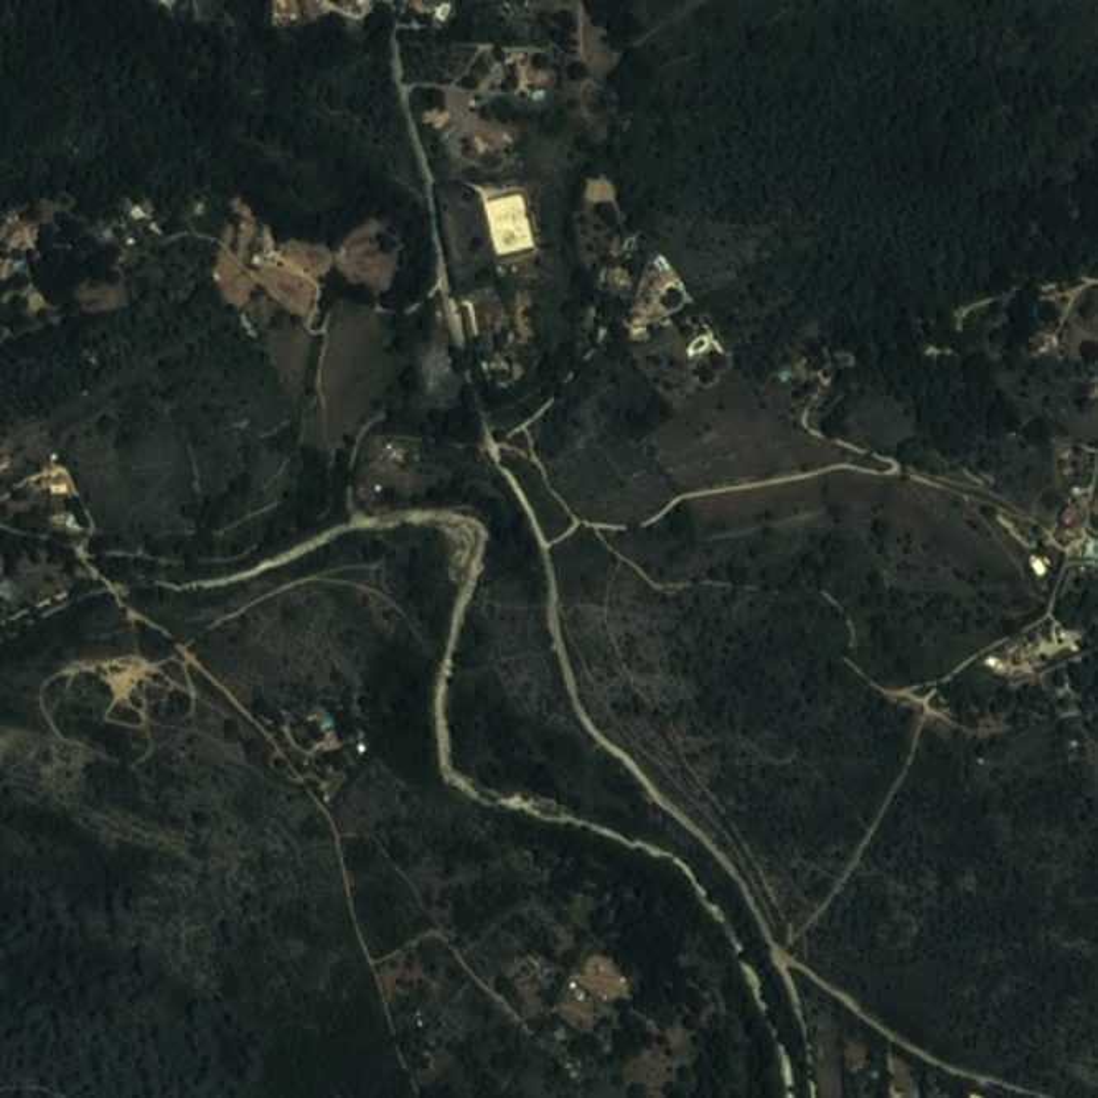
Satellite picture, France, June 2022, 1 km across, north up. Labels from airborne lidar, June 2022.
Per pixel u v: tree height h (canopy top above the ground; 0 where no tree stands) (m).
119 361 15
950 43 15
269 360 7
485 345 15
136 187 16
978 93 14
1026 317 18
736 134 15
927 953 13
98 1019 20
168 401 13
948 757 7
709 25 6
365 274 0
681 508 10
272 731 6
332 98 13
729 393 0
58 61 7
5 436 9
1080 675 16
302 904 7
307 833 5
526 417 8
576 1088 7
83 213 13
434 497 19
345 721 14
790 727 8
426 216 10
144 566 10
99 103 10
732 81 14
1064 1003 7
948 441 11
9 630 10
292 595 0
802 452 0
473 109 6
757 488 0
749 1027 6
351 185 5
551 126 12
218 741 0
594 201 0
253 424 7
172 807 11
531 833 8
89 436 7
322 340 8
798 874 12
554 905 10
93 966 9
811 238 7
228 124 16
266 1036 12
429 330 9
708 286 6
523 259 0
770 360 13
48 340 14
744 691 9
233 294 0
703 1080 12
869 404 0
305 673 0
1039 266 17
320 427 0
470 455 9
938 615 15
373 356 0
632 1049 15
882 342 16
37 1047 7
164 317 16
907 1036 6
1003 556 0
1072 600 8
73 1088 23
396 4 6
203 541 11
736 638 9
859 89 11
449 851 7
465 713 8
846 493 0
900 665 11
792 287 12
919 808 6
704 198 10
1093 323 0
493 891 9
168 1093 22
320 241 8
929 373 17
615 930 9
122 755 7
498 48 8
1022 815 7
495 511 8
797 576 10
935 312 6
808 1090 11
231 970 6
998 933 9
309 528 12
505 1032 8
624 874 12
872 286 10
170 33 10
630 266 8
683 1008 9
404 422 6
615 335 15
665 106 12
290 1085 8
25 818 6
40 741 0
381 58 6
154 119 13
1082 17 10
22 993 7
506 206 0
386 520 0
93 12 9
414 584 7
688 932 9
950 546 0
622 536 10
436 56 13
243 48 12
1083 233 17
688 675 10
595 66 0
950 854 10
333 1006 8
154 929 0
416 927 6
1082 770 6
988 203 17
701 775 0
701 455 0
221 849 0
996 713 11
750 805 7
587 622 0
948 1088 6
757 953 10
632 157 8
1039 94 16
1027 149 14
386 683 10
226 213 9
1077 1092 10
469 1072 8
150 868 6
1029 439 9
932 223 15
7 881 18
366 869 6
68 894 7
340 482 6
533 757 8
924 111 20
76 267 14
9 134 12
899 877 10
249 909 17
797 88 13
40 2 9
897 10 13
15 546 14
